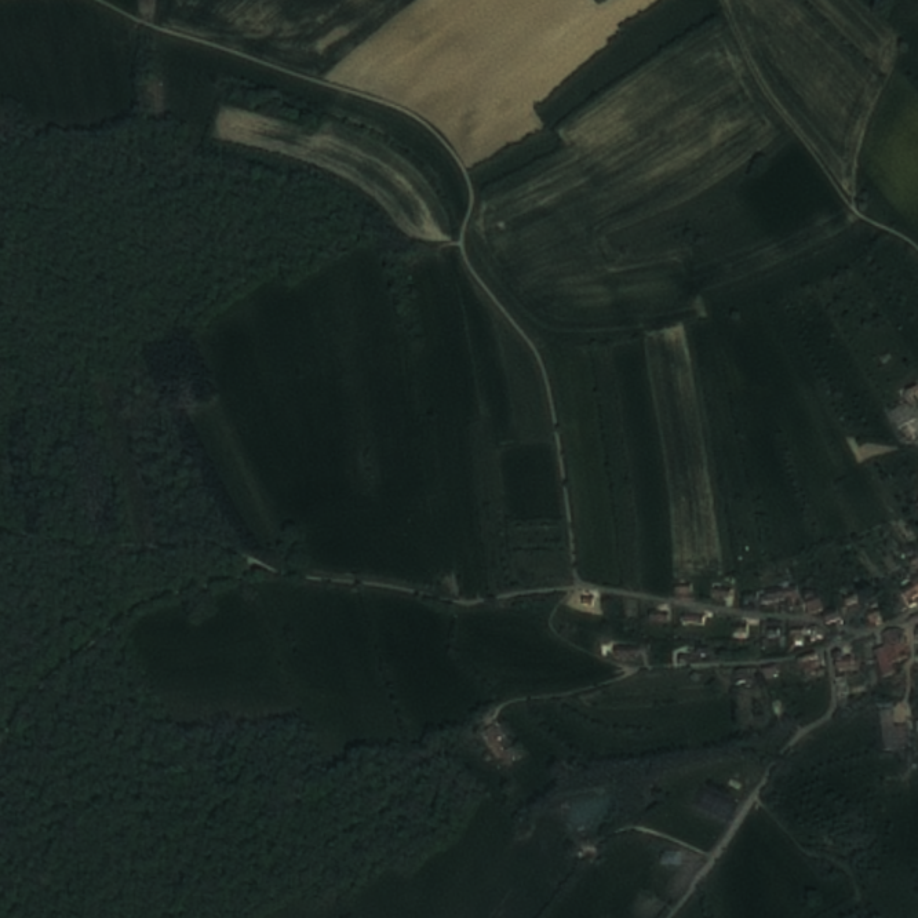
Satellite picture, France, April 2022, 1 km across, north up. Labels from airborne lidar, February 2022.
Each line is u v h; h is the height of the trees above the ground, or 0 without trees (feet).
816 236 0
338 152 0
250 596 65
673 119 0
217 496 55
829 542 21
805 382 0
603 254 0
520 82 0
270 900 59
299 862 78
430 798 83
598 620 0
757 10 0
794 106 0
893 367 0
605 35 0
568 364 0
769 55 0
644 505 0
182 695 0
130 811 78
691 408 0
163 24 0
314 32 0
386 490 0
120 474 65
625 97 0
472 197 0
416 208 0
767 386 0
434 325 0
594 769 44
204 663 0
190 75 0
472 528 0
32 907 84
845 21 0
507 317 0
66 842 79
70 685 79
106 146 85
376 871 53
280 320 0
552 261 0
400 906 0
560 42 0
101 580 79
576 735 0
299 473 0
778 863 0
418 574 0
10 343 76
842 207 0
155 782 76
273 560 30
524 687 0
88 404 74
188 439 64
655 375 0
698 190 0
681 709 0
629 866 0
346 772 66
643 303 0
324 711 0
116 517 65
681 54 0
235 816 76
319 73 0
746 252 0
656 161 0
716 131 0
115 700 78
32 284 78
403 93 0
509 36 0
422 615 0
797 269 0
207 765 85
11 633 74
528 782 0
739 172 0
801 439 0
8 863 79
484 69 0
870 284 0
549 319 0
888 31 0
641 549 0
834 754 0
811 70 0
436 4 0
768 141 0
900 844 0
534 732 0
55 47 0
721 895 0
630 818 44
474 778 73
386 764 54
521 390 0
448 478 0
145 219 72
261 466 0
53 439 74
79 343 75
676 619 0
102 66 0
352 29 0
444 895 0
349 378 0
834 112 0
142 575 82
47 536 48
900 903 0
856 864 30
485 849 0
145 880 73
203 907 82
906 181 0
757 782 0
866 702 21
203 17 0
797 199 0
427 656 0
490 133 0
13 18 0
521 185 0
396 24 0
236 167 70
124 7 0
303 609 0
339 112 0
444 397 0
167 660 0
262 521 0
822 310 0
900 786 0
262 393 0
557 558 0
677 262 0
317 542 0
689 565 0
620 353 0
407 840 67
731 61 0
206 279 69
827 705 0
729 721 0
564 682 0
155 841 69
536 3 0
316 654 0
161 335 69
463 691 0
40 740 75
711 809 0
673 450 0
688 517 0
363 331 0
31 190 81
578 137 0
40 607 78
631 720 0
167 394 48
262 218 78
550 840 0
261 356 0
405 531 0
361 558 0
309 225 80
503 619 0
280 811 83
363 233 62
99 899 73
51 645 76
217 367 0
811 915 0
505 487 0
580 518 0
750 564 0
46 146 65
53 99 0
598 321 0
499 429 0
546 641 0
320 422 0
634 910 0
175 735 72
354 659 0
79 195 78
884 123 0
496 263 0
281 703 0
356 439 0
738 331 0
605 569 0
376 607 0
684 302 0
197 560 77
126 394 79
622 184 0
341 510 0
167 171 77
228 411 0
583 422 0
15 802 77
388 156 0
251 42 0
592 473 0
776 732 56
